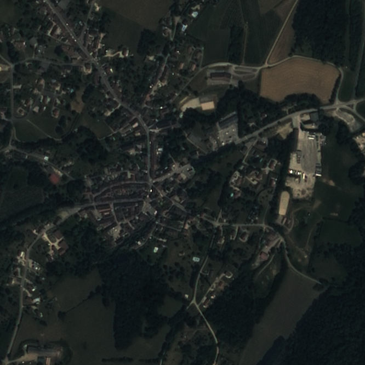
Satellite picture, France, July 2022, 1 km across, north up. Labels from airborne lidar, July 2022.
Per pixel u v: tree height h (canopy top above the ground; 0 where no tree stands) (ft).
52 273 29
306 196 0
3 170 48
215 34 0
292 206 0
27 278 0
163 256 34
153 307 86
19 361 0
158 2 0
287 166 49
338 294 0
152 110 21
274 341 0
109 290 76
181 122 61
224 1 0
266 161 24
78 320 0
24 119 0
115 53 0
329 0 58
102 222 0
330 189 0
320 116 68
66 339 0
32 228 0
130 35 0
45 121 0
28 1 33
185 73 32
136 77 21
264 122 33
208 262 0
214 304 27
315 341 87
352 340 79
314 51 60
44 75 36
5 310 29
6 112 40
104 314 0
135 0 0
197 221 0
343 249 71
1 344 0
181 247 0
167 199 0
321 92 0
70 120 38
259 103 51
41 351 0
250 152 0
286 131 0
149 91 0
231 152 65
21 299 0
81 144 20
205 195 36
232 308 66
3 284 21
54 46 0
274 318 0
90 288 0
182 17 0
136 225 0
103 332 0
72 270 62
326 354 84
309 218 0
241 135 42
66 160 33
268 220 0
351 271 31
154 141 0
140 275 82
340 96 0
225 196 45
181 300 37
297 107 21
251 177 0
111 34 0
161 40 0
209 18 0
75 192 40
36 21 36
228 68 0
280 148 35
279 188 62
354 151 63
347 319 51
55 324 0
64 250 0
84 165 0
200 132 0
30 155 0
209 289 0
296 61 0
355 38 61
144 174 0
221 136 0
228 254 56
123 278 97
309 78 0
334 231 0
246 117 24
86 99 41
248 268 56
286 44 0
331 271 0
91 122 0
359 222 42
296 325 0
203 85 0
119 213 0
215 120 56
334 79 0
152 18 0
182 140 44
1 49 42
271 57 0
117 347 54
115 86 0
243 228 0
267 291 0
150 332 22
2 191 31
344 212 0
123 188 0
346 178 0
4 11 0
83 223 45
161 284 52
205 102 0
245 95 87
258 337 0
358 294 66
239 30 23
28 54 0
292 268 0
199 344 28
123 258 90
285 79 0
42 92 0
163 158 51
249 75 0
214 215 45
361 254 71
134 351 0
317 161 0
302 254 0
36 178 58
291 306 0
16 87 0
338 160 0
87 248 94
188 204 20
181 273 52
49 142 35
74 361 0
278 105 43
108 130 0
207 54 0
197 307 0
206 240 66
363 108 0
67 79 28
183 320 49
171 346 18
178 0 23
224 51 0
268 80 0
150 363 26
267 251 0
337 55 23
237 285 21
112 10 0
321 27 51
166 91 0
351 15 33
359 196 0
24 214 53
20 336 0
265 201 0
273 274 0
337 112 0
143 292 49
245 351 0
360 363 59
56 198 64
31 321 0
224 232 20
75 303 0
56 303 0
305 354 97
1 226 54
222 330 40
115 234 0
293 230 0
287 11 0
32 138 0
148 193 0
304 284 0
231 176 22
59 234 0
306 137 0
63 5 0
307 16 93
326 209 0
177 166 0
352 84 0
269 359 74
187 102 0
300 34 53
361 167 61
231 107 0
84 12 53
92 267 43
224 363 21
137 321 82
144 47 62
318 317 83
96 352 0
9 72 0
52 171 0
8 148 0
